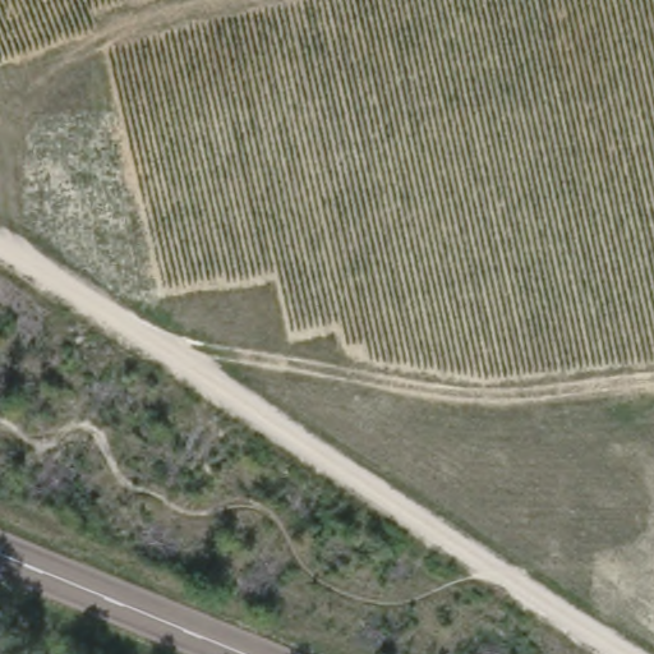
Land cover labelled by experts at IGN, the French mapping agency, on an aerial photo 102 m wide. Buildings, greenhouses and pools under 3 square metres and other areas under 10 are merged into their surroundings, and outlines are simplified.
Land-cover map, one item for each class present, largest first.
<instances>
[{"label":"vineyard","instance_id":"1","mask_svg":"<svg viewBox=\"0 0 654 654\"><path fill-rule=\"evenodd\" d=\"M0 227L10 230L13 235H20L56 266L82 278L115 304L130 309L141 319L171 335L194 340V350L215 358V363L222 370L225 365L238 363L261 370H281L319 381L365 386L424 401L478 406H524L562 399L654 393V0H0Z\"/></svg>","mask_w":654,"mask_h":654},{"label":"herbaceous vegetation","instance_id":"2","mask_svg":"<svg viewBox=\"0 0 654 654\"><path fill-rule=\"evenodd\" d=\"M248 391L258 393L266 404L276 406L291 422L304 427L309 434L335 447L340 455H345L363 470L373 473L393 491L404 493L406 498H411L414 503H419L422 508H427L468 539L483 544L503 562L524 570L531 580H536L539 585H544L547 590H552L593 621L608 626L621 639L644 649L646 654H654V393L562 399L524 406H478L424 401L365 386L319 381L281 370H261L238 363L225 365L222 370ZM386 531L391 534V547H386L381 539L370 534L330 536L327 544H317L312 539V552L299 554L294 559L299 565V572H294L291 580L278 590L284 600L271 613L261 605H245L240 598H232L225 603V611L209 613L232 626L245 623L250 631H258L263 639L276 641L289 651L307 641L314 654H460L455 646L475 636V631L511 636L521 628L529 631L531 639L547 654H593V649L575 644L565 631L554 628L549 621L521 608L503 588L475 580L470 570L452 554H445L437 547L424 544L406 526L391 519L386 524Z\"/></svg>","mask_w":654,"mask_h":654},{"label":"coniferous trees","instance_id":"3","mask_svg":"<svg viewBox=\"0 0 654 654\"><path fill-rule=\"evenodd\" d=\"M66 422H92L102 427L107 432V442L112 447L118 465L125 468L128 478L135 485H161V491H166L171 498L186 496L189 506L209 508L215 516H181L164 508V503L148 493H130L123 485H118L89 432L82 442H66L46 452H36L33 445L38 439H51V429ZM64 478H82L87 488L100 491V506L107 508L110 526H115L120 534L118 547L100 544L77 529L61 526L56 511L38 503V496H49L54 488H61ZM342 488L330 475L317 473L312 465L301 462L286 447L271 442L245 419L204 399L194 386L176 378L158 360L141 355V350L120 342L115 335L97 327L89 317L74 312V307H69L64 299L36 289V284L28 276H20L10 266L0 263V654H179L174 649L171 636H164L158 644H153L118 634L107 623V611L102 608L92 605L79 613L43 600L41 585L36 580L23 577L10 565L13 547L8 544V539L10 534L20 536L49 552L89 565L112 577H120L130 585L192 605L194 588L199 585L222 588L225 593H232V598H240L245 605H261L271 613L284 600L278 590L291 580L294 572H299V565L294 559L299 554L312 552V539L304 534L301 539H294L289 529L296 519L307 516L301 501L319 498L330 503Z\"/></svg>","mask_w":654,"mask_h":654},{"label":"pervious surface","instance_id":"4","mask_svg":"<svg viewBox=\"0 0 654 654\"><path fill-rule=\"evenodd\" d=\"M0 263L10 266L20 276H28L36 284V289L64 299L69 307H74V312L89 317L97 327L115 335L120 342L141 350V355L158 360L176 378L194 386L204 399L245 419L271 442L286 447L301 462L312 465L317 473L330 475L342 488L353 491L376 511L391 519L406 526L424 544L437 547L445 554H452L470 570L475 580L503 588L521 608L549 621L554 628L565 631L575 644L593 649V654H646L644 649L621 639L608 626L593 621L552 590H547L544 585H539L536 580H531L524 570L503 562L483 544L468 539L427 508H422L419 503H414L411 498H406L404 493L393 491L373 473L363 470L345 455H340L335 447L309 434L304 427L291 422L276 406L266 404L258 393L248 391L222 370L215 363V358L194 350V340L171 335L141 319L130 309L115 304L82 278L56 266L20 235H13L10 230L0 227ZM89 432L118 485H123L130 493H148L164 503V508L181 516H215L209 508L189 506L186 496L171 498L166 491H161V485H135L128 478L125 468L118 465L112 447L107 442V432L102 427L92 422H66L51 429V439H38L33 445L36 452H46L66 442H82Z\"/></svg>","mask_w":654,"mask_h":654},{"label":"impervious surface","instance_id":"5","mask_svg":"<svg viewBox=\"0 0 654 654\"><path fill-rule=\"evenodd\" d=\"M8 544L13 547L10 565L23 577L36 580L41 585L43 600L79 613L92 605L102 608L107 611V623L118 634L153 644H158L164 636H171L174 649L179 654H314L307 641L289 651L276 641L263 639L258 631H250L245 623L232 626L209 613L197 611L192 605L130 585L120 577H112L89 565L49 552L20 536L10 534L8 539Z\"/></svg>","mask_w":654,"mask_h":654},{"label":"deciduous trees","instance_id":"6","mask_svg":"<svg viewBox=\"0 0 654 654\"><path fill-rule=\"evenodd\" d=\"M38 503L56 511L61 526L77 529L100 544L118 547L120 534L115 526H110L107 508L100 506V491L87 488L82 478H64L61 488H54L49 496H38ZM307 516L296 519L289 529L294 539H301L304 534L312 539L317 544H327L330 536L370 534L381 539L386 547H391V534L386 531V524L391 519L376 511L353 491L342 488L330 503L319 498L301 501ZM232 598V593H225L222 588L199 585L194 588L192 605L197 611L209 613L225 611V603Z\"/></svg>","mask_w":654,"mask_h":654},{"label":"brushwood","instance_id":"7","mask_svg":"<svg viewBox=\"0 0 654 654\"><path fill-rule=\"evenodd\" d=\"M460 654H547L531 639L529 631L521 628L511 636L475 631V636L455 646Z\"/></svg>","mask_w":654,"mask_h":654}]
</instances>
